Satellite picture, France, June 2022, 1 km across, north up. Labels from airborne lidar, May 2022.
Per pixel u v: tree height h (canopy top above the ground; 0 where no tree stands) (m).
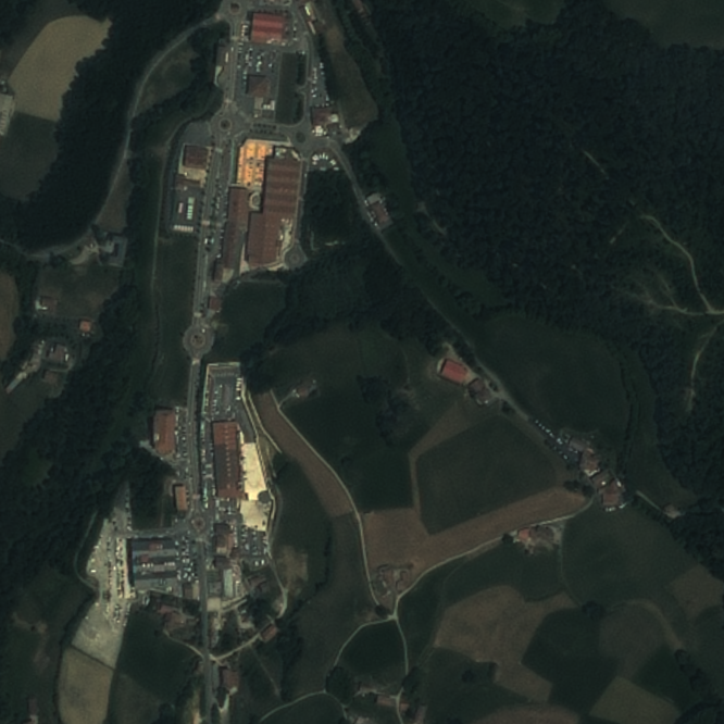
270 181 0
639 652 0
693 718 23
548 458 0
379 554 0
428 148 39
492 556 0
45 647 0
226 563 0
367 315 18
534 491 0
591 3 24
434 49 34
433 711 0
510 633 0
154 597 8
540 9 0
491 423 0
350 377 0
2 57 0
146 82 0
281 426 0
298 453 0
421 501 0
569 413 0
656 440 0
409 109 30
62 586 0
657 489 0
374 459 0
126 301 28
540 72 37
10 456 13
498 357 0
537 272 37
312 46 0
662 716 0
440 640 0
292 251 0
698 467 19
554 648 0
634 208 39
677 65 27
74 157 26
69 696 0
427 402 0
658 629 0
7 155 0
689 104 8
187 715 0
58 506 26
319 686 0
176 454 0
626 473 7
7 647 25
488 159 33
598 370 0
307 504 0
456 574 0
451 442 0
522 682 0
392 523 0
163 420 0
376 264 11
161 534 0
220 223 0
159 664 0
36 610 0
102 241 25
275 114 0
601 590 0
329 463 0
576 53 24
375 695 7
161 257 0
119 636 0
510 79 36
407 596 0
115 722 0
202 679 6
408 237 9
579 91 31
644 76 30
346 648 0
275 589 0
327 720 0
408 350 0
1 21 27
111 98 25
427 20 14
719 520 22
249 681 0
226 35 11
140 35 19
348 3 11
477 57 36
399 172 0
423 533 0
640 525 0
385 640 0
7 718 24
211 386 0
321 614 0
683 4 0
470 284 0
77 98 25
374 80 22
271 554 0
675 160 33
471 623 0
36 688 0
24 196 0
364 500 0
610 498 0
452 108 34
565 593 0
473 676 20
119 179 0
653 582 0
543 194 34
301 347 0
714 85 23
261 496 0
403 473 0
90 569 0
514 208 33
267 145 0
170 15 20
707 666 0
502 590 0
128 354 21
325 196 6
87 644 0
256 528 0
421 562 0
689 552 12
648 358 21
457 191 35
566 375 0
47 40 0
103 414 28
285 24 0
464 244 35
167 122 0
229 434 0
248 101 0
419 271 0
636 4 0
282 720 0
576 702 0
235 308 0
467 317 0
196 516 0
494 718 0
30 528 14
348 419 0
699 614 0
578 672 0
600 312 28
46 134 0
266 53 0
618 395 0
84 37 0
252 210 0
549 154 35
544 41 27
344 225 9
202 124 0
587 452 0
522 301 28
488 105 38
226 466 0
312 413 0
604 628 0
